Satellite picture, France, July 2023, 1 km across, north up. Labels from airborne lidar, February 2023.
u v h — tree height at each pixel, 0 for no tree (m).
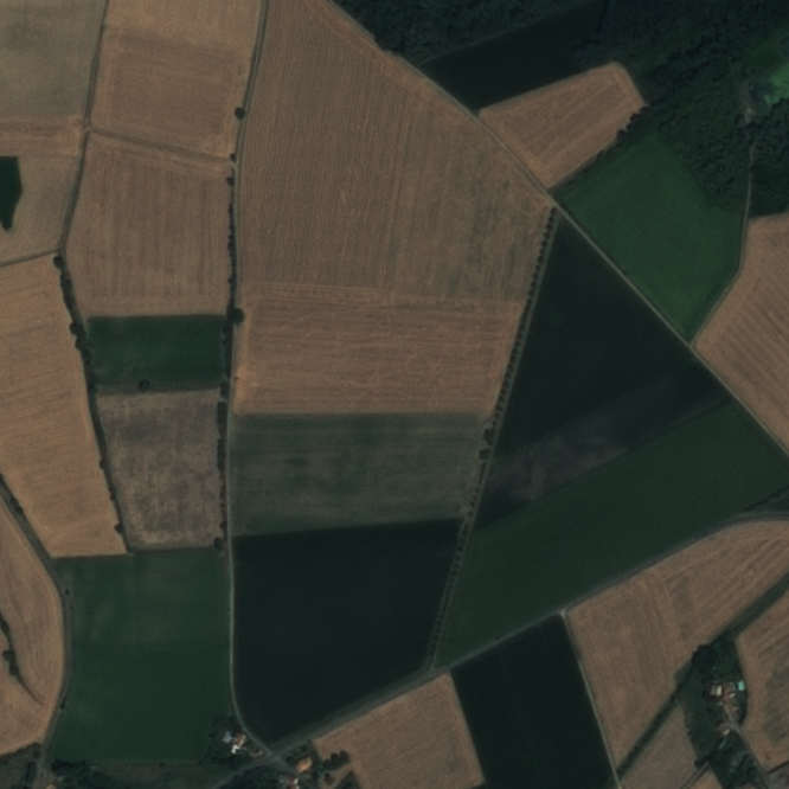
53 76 0
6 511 0
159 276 0
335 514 0
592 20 0
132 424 0
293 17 0
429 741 0
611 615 0
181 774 0
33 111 0
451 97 0
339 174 0
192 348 0
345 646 0
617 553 0
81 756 0
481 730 0
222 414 10
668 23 31
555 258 0
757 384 0
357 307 0
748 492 0
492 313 0
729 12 26
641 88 0
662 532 0
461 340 0
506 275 0
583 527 0
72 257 0
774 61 0
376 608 0
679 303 0
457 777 0
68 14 0
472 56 0
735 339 0
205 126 0
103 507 0
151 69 0
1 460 0
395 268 0
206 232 0
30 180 0
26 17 0
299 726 0
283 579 0
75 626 0
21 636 0
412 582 0
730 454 0
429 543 0
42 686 0
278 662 0
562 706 0
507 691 0
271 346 0
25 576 0
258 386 0
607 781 0
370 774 0
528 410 0
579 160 0
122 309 0
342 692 0
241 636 0
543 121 0
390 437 0
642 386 0
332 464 0
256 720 0
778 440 0
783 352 0
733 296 0
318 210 0
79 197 0
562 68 0
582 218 0
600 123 0
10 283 0
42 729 0
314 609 0
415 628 0
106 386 0
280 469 0
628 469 0
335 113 0
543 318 0
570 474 0
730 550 0
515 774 0
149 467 0
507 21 24
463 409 0
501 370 0
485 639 0
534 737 0
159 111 0
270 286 0
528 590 0
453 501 0
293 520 0
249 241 0
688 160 9
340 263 0
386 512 0
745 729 0
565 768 0
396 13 23
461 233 0
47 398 0
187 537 0
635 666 0
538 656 0
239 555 0
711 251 0
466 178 0
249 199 0
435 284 0
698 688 0
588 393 0
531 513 0
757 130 16
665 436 0
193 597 0
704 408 0
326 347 0
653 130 0
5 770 0
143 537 0
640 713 0
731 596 0
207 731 0
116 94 0
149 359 0
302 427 0
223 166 0
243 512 0
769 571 0
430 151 0
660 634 0
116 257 0
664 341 0
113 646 0
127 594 0
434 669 0
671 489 0
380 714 0
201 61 0
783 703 0
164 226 0
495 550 0
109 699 0
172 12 0
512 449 0
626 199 0
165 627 0
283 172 0
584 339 0
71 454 0
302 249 0
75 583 0
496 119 0
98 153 0
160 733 0
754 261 0
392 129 0
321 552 0
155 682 0
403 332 0
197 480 0
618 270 0
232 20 0
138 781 0
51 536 0
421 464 0
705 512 0
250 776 7
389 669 0
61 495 0
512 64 0
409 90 0
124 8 0
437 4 29
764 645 0
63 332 0
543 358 0
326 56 0
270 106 0
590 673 0
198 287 0
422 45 22
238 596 0
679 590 0
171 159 0
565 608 0
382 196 0
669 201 0
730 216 0
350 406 0
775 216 0
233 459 0
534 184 0
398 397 0
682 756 0
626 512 0
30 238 0
